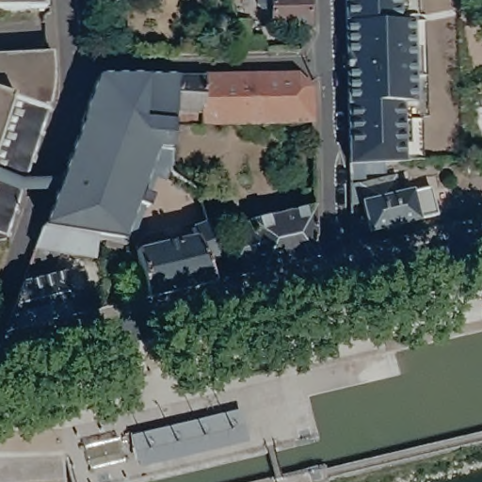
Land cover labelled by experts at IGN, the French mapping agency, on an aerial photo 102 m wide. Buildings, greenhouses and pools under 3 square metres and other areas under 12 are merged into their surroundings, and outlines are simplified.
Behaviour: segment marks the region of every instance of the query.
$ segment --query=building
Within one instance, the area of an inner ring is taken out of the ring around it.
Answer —
[[[410,96],[410,90],[418,88],[418,83],[410,81],[410,77],[418,75],[418,21],[424,19],[426,13],[424,9],[409,9],[409,0],[346,0],[346,24],[350,26],[348,64],[352,75],[352,90],[348,94],[348,104],[354,102],[358,107],[348,115],[352,205],[363,205],[367,222],[380,230],[384,226],[390,226],[397,218],[424,220],[439,217],[442,200],[448,192],[448,188],[442,185],[441,179],[437,177],[429,177],[427,181],[424,175],[405,179],[403,171],[388,168],[384,160],[407,158],[409,154],[412,122],[407,120],[409,107],[405,102]]]
[[[256,11],[249,13],[247,19],[241,19],[243,26],[258,32],[264,32],[265,26],[258,21]]]
[[[49,8],[53,0],[0,0],[0,9],[40,11]]]
[[[64,322],[83,320],[85,314],[92,313],[96,316],[100,311],[94,307],[94,301],[88,294],[75,296],[72,286],[66,284],[66,271],[51,271],[40,277],[26,277],[21,290],[13,286],[4,292],[4,303],[0,307],[0,318],[13,331],[24,329],[30,335],[41,320],[49,320],[55,326],[62,326]]]
[[[0,241],[8,241],[9,237],[13,237],[15,222],[11,222],[9,218],[13,211],[21,213],[23,201],[28,198],[28,190],[40,190],[51,185],[51,177],[36,177],[32,168],[38,162],[41,143],[47,134],[49,122],[53,119],[53,111],[62,92],[64,77],[60,75],[58,49],[45,47],[0,51]]]
[[[137,207],[141,205],[141,201],[154,201],[156,198],[156,179],[169,181],[169,175],[173,175],[175,162],[171,160],[169,151],[173,151],[173,147],[177,145],[177,132],[181,126],[200,126],[203,122],[241,124],[313,124],[318,120],[316,90],[311,85],[311,79],[299,72],[107,70],[102,73],[94,88],[94,96],[88,102],[87,120],[83,122],[81,136],[75,143],[75,151],[68,164],[64,185],[56,194],[51,218],[41,228],[36,249],[30,256],[30,264],[36,264],[49,254],[96,256],[100,249],[100,241],[105,241],[124,247],[128,243],[128,237],[132,232],[136,232],[143,220],[137,213]]]
[[[288,21],[299,19],[311,26],[314,24],[316,13],[307,4],[313,4],[314,0],[275,0],[273,17],[286,17]]]
[[[235,409],[190,422],[134,433],[134,454],[137,454],[139,465],[151,465],[166,459],[183,458],[190,454],[200,454],[205,450],[215,450],[237,442],[249,441],[249,427],[245,424],[245,416]]]
[[[301,269],[307,269],[311,265],[318,265],[322,269],[328,262],[324,258],[326,243],[320,239],[322,217],[313,217],[309,205],[301,205],[267,213],[262,217],[249,218],[250,249],[245,250],[241,256],[220,254],[217,228],[209,226],[209,222],[205,220],[198,220],[192,232],[185,233],[181,239],[158,239],[151,243],[143,243],[137,249],[136,264],[137,279],[141,282],[139,288],[147,292],[147,299],[175,297],[177,301],[186,301],[194,296],[196,284],[200,284],[200,288],[205,292],[217,288],[222,299],[237,297],[241,294],[239,290],[243,288],[243,279],[249,277],[250,271],[262,271],[267,281],[286,277],[286,281],[292,281],[292,277],[297,275]]]

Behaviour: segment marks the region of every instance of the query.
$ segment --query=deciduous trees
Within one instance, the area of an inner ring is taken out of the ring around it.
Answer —
[[[23,341],[13,346],[6,354],[6,360],[0,363],[0,442],[13,437],[13,427],[21,429],[23,441],[32,441],[36,433],[79,416],[81,410],[92,410],[96,418],[104,420],[105,424],[117,422],[120,414],[137,414],[139,409],[145,409],[141,401],[141,392],[145,388],[145,377],[137,352],[137,345],[141,345],[143,341],[139,341],[134,333],[126,331],[119,322],[102,324],[94,320],[90,328],[62,328],[51,333],[51,339]]]
[[[79,38],[79,53],[96,58],[126,53],[139,58],[168,60],[177,47],[168,43],[137,41],[134,38],[136,30],[128,26],[126,21],[126,11],[158,9],[162,0],[96,0],[96,4],[88,11],[88,17],[85,19],[87,32]]]
[[[264,147],[260,168],[267,183],[273,186],[275,192],[316,192],[314,160],[316,149],[324,149],[324,136],[314,130],[313,124],[241,124],[235,132],[237,137]]]
[[[220,254],[241,256],[245,250],[250,249],[249,218],[247,215],[222,215],[218,218],[217,228]]]
[[[220,201],[224,198],[224,192],[230,192],[230,173],[222,164],[211,171],[186,168],[183,175],[186,177],[186,183],[175,179],[173,175],[169,175],[169,181],[177,188],[183,188],[188,194],[192,194],[192,203]]]
[[[437,247],[418,252],[412,264],[394,262],[378,265],[377,275],[354,271],[352,267],[337,267],[333,277],[320,279],[316,284],[309,284],[297,275],[292,277],[292,281],[286,281],[284,290],[275,284],[258,284],[250,296],[237,297],[222,299],[213,301],[211,297],[203,296],[201,309],[190,309],[186,301],[177,301],[169,313],[160,313],[156,318],[149,320],[149,326],[153,328],[156,337],[156,346],[149,348],[147,352],[154,361],[160,363],[164,377],[171,375],[177,380],[175,390],[179,395],[203,392],[209,386],[215,392],[222,392],[224,384],[232,378],[243,380],[262,373],[282,375],[286,367],[296,367],[297,373],[307,373],[311,367],[311,356],[318,356],[318,360],[322,361],[326,358],[335,358],[339,354],[339,345],[350,346],[354,339],[369,339],[375,345],[382,345],[384,341],[394,341],[401,345],[409,345],[410,350],[422,350],[429,345],[444,346],[452,341],[450,333],[461,331],[463,328],[465,313],[471,309],[471,299],[482,299],[482,239],[476,241],[478,250],[469,250],[469,256],[463,256],[461,260],[450,256],[448,249]]]
[[[463,73],[461,79],[456,81],[458,88],[473,87],[480,83],[478,75],[471,72]]]
[[[9,237],[8,241],[0,241],[0,271],[8,265],[9,252],[13,249],[13,237]]]
[[[247,55],[250,51],[269,51],[277,45],[301,47],[305,47],[305,43],[311,40],[311,26],[299,19],[288,21],[286,17],[273,17],[271,23],[265,26],[264,32],[258,32],[243,26],[239,30],[230,30],[226,17],[220,23],[209,13],[200,11],[198,21],[188,24],[185,43],[181,47],[188,53],[196,51],[201,56],[198,62],[207,64],[224,62],[237,66],[250,60]]]
[[[482,0],[465,0],[465,15],[467,23],[471,26],[478,28],[474,36],[476,40],[482,41]]]
[[[482,149],[471,147],[463,156],[452,156],[452,162],[461,169],[478,169],[482,175]]]
[[[122,299],[130,301],[139,288],[141,282],[137,279],[136,264],[130,265],[126,273],[109,273],[107,264],[115,249],[109,249],[105,241],[100,241],[100,249],[96,256],[98,281],[94,281],[94,284],[100,288],[102,305],[109,305],[109,292],[119,290]]]

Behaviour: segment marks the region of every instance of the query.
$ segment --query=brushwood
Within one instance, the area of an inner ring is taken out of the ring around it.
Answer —
[[[250,51],[247,55],[250,60],[256,60],[258,55],[265,53],[299,55],[301,47],[277,45],[269,51]]]
[[[471,147],[482,149],[482,64],[474,66],[469,53],[465,28],[471,26],[467,23],[465,15],[465,0],[461,0],[461,8],[456,9],[456,15],[448,19],[448,30],[456,30],[456,55],[450,56],[448,60],[448,92],[452,104],[456,105],[458,124],[452,136],[450,149],[422,153],[414,154],[409,162],[409,168],[426,169],[433,166],[439,173],[442,169],[450,169],[454,175],[458,175],[461,169],[452,162],[452,156],[463,156]],[[458,88],[456,81],[461,79],[463,73],[471,72],[478,75],[480,83],[473,87]]]
[[[0,9],[0,26],[26,24],[28,32],[38,30],[40,11]]]
[[[463,446],[450,452],[442,452],[435,458],[418,461],[416,473],[424,476],[439,471],[448,473],[450,465],[456,461],[482,461],[482,446]]]

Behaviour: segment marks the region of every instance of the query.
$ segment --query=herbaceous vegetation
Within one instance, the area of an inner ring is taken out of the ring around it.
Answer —
[[[456,9],[461,8],[461,0],[409,0],[409,9],[424,9],[426,13]]]
[[[448,60],[450,56],[456,55],[456,30],[448,30],[448,19],[426,24],[426,66],[429,66],[426,85],[429,85],[431,115],[420,117],[422,153],[450,149],[452,136],[458,124],[456,105],[452,104],[448,92]]]
[[[173,151],[169,151],[171,160],[175,162],[173,175],[175,179],[186,183],[186,177],[183,175],[186,168],[211,171],[222,164],[230,173],[230,192],[224,192],[224,198],[220,201],[239,203],[250,194],[275,192],[273,186],[267,183],[260,168],[264,147],[237,137],[235,132],[241,124],[203,122],[200,126],[181,126],[177,132],[177,145],[173,147]]]
[[[439,173],[433,166],[426,169],[409,168],[409,162],[414,154],[409,154],[407,158],[384,160],[388,168],[403,171],[405,179],[424,175],[427,181],[429,177],[437,177],[441,179],[442,185],[448,188],[448,192],[456,188],[482,190],[482,175],[478,169],[461,169],[458,175],[454,175],[450,169],[442,169]]]
[[[418,461],[384,467],[380,471],[371,471],[367,474],[337,478],[333,482],[426,482],[426,480],[424,476],[416,473]]]
[[[79,38],[87,32],[85,19],[88,17],[88,11],[96,4],[96,0],[70,0],[72,17],[68,21],[68,28],[72,38]]]
[[[239,30],[243,26],[241,19],[247,19],[249,13],[233,11],[233,0],[162,0],[158,9],[126,11],[126,21],[128,26],[136,30],[134,38],[137,41],[168,43],[177,47],[181,47],[185,43],[188,24],[198,21],[200,11],[209,13],[220,23],[226,17],[230,30]]]

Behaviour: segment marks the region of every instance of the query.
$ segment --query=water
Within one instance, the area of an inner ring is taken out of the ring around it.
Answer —
[[[482,482],[482,469],[454,474],[452,478],[426,480],[426,482]]]
[[[345,390],[313,395],[311,409],[314,424],[318,427],[318,441],[288,448],[282,452],[269,452],[260,458],[241,459],[153,482],[254,482],[271,476],[277,478],[284,474],[305,471],[311,467],[335,467],[358,459],[375,458],[397,450],[482,431],[482,333],[465,335],[452,341],[444,346],[429,345],[422,350],[410,350],[403,350],[397,354],[397,377],[382,378],[375,382],[365,382],[360,386],[350,386]]]

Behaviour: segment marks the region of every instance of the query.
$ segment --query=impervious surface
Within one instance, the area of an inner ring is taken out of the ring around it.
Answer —
[[[456,15],[456,9],[426,13],[424,19],[418,21],[418,75],[410,77],[410,81],[418,83],[418,88],[410,90],[410,96],[405,102],[409,107],[407,120],[412,122],[409,154],[414,154],[422,153],[420,117],[431,115],[429,85],[426,85],[429,66],[426,66],[426,24],[448,19]]]
[[[224,384],[222,392],[215,392],[209,386],[203,392],[179,395],[175,390],[177,380],[171,375],[164,377],[160,363],[154,361],[147,352],[149,348],[156,346],[156,337],[153,328],[149,326],[149,320],[156,318],[160,313],[169,313],[177,301],[175,297],[147,299],[147,292],[139,288],[130,301],[122,299],[119,290],[109,292],[109,305],[102,305],[100,288],[94,284],[94,281],[98,281],[96,256],[49,254],[36,264],[30,264],[30,256],[36,249],[41,228],[51,218],[56,194],[64,185],[68,164],[75,151],[75,143],[81,136],[83,122],[87,120],[88,102],[94,96],[94,88],[102,73],[107,70],[299,72],[311,79],[311,85],[316,90],[318,120],[313,124],[314,130],[324,136],[324,149],[316,149],[314,160],[316,192],[275,192],[250,194],[239,203],[220,201],[192,203],[192,194],[188,194],[183,188],[177,188],[169,181],[156,179],[156,198],[154,201],[141,201],[141,205],[137,207],[137,213],[143,220],[136,232],[132,232],[128,237],[128,243],[124,247],[105,241],[109,249],[115,249],[107,264],[109,273],[126,273],[130,265],[136,264],[137,249],[143,243],[151,243],[158,239],[181,239],[185,233],[192,232],[198,220],[205,220],[209,222],[209,226],[217,228],[218,218],[222,215],[247,215],[249,218],[262,217],[267,213],[301,205],[309,205],[313,217],[322,217],[320,239],[326,243],[324,258],[328,262],[322,269],[318,265],[311,265],[307,269],[301,269],[297,275],[309,284],[316,284],[320,279],[333,277],[337,267],[352,267],[354,271],[377,275],[378,265],[394,262],[412,264],[418,252],[437,247],[448,249],[450,256],[461,260],[463,256],[469,256],[469,250],[478,250],[476,241],[482,239],[482,190],[456,188],[448,192],[442,200],[439,217],[424,220],[397,218],[390,226],[384,226],[380,230],[367,222],[363,205],[352,205],[348,115],[358,107],[354,102],[348,104],[348,94],[352,90],[352,75],[348,64],[350,26],[346,24],[346,0],[314,0],[313,4],[307,4],[316,13],[314,24],[311,26],[311,40],[305,43],[305,47],[301,47],[299,55],[265,53],[258,55],[256,60],[250,60],[237,66],[224,62],[207,64],[198,62],[201,56],[196,51],[188,53],[181,47],[177,47],[168,60],[139,58],[126,53],[96,58],[79,53],[79,38],[72,38],[68,28],[68,21],[72,17],[70,0],[53,0],[49,8],[40,11],[38,30],[28,32],[26,24],[0,26],[0,51],[45,47],[58,49],[60,75],[64,77],[62,92],[53,111],[53,119],[49,122],[47,134],[41,143],[38,162],[32,168],[36,177],[51,177],[51,185],[40,190],[28,190],[28,198],[23,201],[21,213],[13,211],[9,218],[11,222],[15,222],[13,237],[13,249],[9,252],[8,265],[0,271],[0,307],[4,303],[4,292],[13,286],[21,290],[26,277],[40,277],[51,271],[66,271],[66,284],[72,286],[75,296],[88,294],[94,301],[94,307],[100,311],[96,316],[92,313],[85,314],[83,320],[64,322],[62,326],[55,326],[49,320],[41,320],[30,335],[24,329],[13,331],[0,318],[0,363],[6,360],[6,354],[13,346],[23,341],[51,339],[51,333],[62,328],[90,328],[94,320],[102,324],[119,322],[126,331],[134,333],[139,341],[143,341],[141,345],[137,345],[137,352],[145,377],[145,388],[141,392],[141,401],[145,409],[139,409],[137,414],[120,414],[117,422],[105,424],[104,420],[96,418],[92,410],[81,410],[79,416],[36,433],[32,441],[23,441],[21,429],[13,427],[13,437],[0,442],[0,482],[153,482],[241,459],[260,458],[269,452],[282,452],[288,448],[318,441],[318,427],[314,424],[311,409],[313,395],[345,390],[350,386],[360,386],[365,382],[375,382],[382,378],[397,377],[397,354],[403,350],[410,350],[409,345],[401,345],[394,341],[384,341],[382,345],[375,345],[369,339],[354,339],[350,346],[339,345],[339,354],[335,358],[326,358],[322,361],[318,360],[318,356],[311,356],[311,367],[307,373],[297,373],[296,367],[286,367],[282,375],[262,373],[243,380],[232,378]],[[215,450],[205,450],[200,454],[190,454],[183,458],[166,459],[151,465],[139,465],[137,454],[134,454],[134,433],[190,422],[235,409],[245,416],[245,424],[249,427],[249,441],[237,442]]]
[[[265,26],[271,23],[273,17],[275,0],[233,0],[233,11],[249,13],[256,11],[258,21]]]
[[[211,297],[213,301],[222,299],[217,288],[205,292],[200,288],[200,284],[196,284],[194,296],[186,301],[190,309],[201,309],[203,296]]]
[[[452,478],[454,474],[482,469],[482,461],[456,461],[450,465],[448,473],[439,471],[424,476],[426,480]]]
[[[258,284],[275,284],[284,290],[286,281],[286,277],[267,281],[262,271],[250,271],[249,277],[243,279],[243,288],[239,290],[241,294],[237,297],[250,296]]]
[[[482,299],[471,299],[471,309],[465,313],[463,328],[461,331],[450,333],[452,341],[465,335],[482,333]]]
[[[482,431],[397,450],[375,458],[358,459],[335,467],[311,467],[305,471],[284,474],[277,478],[271,476],[254,482],[333,482],[337,478],[367,474],[371,471],[380,471],[384,467],[418,461],[435,458],[442,452],[450,452],[463,446],[482,446]]]
[[[474,36],[478,28],[471,26],[465,28],[469,53],[474,66],[482,64],[482,41],[476,40]]]

